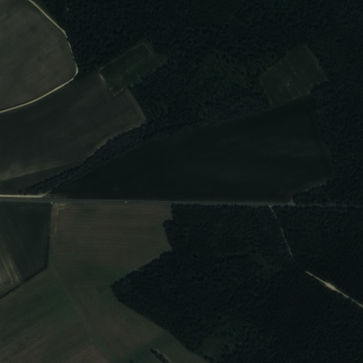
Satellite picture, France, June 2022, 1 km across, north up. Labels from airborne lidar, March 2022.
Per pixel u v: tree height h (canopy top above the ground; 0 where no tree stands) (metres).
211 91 19
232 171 0
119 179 0
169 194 0
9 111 0
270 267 0
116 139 16
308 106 0
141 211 0
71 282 0
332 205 0
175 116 20
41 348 0
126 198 0
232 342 0
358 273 0
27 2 0
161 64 0
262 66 0
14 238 0
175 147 0
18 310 0
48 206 0
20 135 0
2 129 0
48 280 0
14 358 0
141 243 0
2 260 0
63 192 0
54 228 0
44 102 0
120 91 0
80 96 0
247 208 13
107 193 0
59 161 0
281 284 0
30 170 0
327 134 17
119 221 0
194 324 18
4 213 0
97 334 0
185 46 0
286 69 0
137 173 0
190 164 0
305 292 0
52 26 0
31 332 0
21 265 0
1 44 0
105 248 0
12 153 0
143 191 0
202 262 19
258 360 16
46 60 0
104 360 0
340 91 26
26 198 0
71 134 0
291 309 0
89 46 22
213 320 9
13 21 0
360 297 0
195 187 0
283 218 17
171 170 0
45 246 0
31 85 0
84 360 0
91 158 8
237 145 0
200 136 0
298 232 16
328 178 0
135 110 0
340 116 0
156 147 0
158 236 0
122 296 14
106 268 0
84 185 0
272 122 0
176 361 0
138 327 0
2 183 0
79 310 0
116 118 0
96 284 0
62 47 0
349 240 0
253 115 0
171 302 15
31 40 0
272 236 19
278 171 0
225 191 0
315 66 0
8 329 0
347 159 0
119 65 0
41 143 0
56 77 0
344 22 0
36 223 0
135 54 0
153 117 0
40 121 0
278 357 16
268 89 0
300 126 0
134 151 0
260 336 17
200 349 0
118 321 0
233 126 0
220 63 0
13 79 0
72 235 0
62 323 0
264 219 20
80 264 0
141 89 25
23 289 0
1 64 0
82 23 18
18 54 0
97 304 0
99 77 0
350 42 0
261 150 0
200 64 0
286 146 0
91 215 0
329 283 0
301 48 0
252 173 0
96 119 0
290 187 0
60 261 0
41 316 0
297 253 16
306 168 0
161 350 0
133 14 23
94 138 0
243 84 0
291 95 0
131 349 0
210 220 13
